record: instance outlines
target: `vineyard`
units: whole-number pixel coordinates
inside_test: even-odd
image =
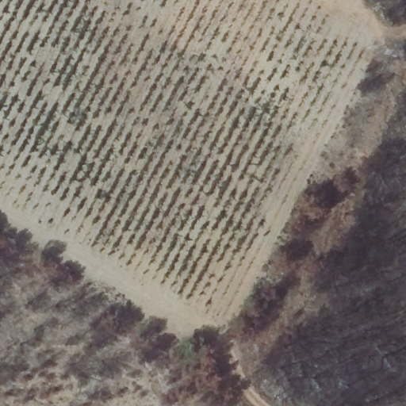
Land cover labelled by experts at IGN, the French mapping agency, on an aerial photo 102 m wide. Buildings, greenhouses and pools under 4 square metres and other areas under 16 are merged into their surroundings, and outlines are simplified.
[[[117,292],[125,293],[125,297],[132,301],[136,308],[140,308],[149,319],[159,317],[167,320],[167,333],[176,338],[189,338],[193,331],[203,327],[216,328],[228,324],[233,317],[239,316],[244,300],[254,290],[255,282],[265,276],[262,266],[270,259],[271,252],[278,249],[278,236],[281,235],[285,222],[290,219],[298,195],[308,187],[309,174],[314,173],[320,165],[320,154],[324,151],[324,144],[330,141],[336,125],[343,122],[346,106],[357,105],[362,97],[358,84],[365,79],[366,68],[377,54],[389,56],[392,51],[387,48],[385,38],[384,27],[387,24],[377,21],[376,16],[370,8],[366,8],[363,0],[0,0],[0,211],[5,214],[11,227],[16,230],[27,230],[32,235],[33,243],[43,249],[49,241],[60,241],[65,244],[65,251],[62,252],[63,262],[79,263],[84,270],[82,274],[89,281],[103,281],[109,287],[116,287]]]

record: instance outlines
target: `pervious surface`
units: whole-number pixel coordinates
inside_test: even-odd
[[[252,406],[263,406],[265,398],[255,392],[254,387],[249,387],[244,390],[244,396]]]
[[[379,10],[376,16],[377,21],[387,24],[384,27],[385,38],[406,38],[406,24],[390,24],[382,10]]]

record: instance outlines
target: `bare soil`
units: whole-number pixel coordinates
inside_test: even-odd
[[[278,371],[271,376],[268,366],[262,362],[263,358],[268,355],[279,335],[293,335],[295,325],[308,324],[309,317],[317,316],[322,306],[327,308],[330,300],[327,295],[330,295],[331,287],[335,285],[336,276],[346,276],[349,285],[362,287],[376,281],[377,268],[392,265],[395,255],[406,254],[406,233],[395,233],[385,239],[382,236],[389,232],[387,220],[390,216],[406,211],[406,38],[385,38],[387,48],[392,51],[389,56],[377,54],[366,68],[365,79],[358,84],[362,97],[357,105],[346,106],[343,122],[336,125],[330,141],[324,144],[324,151],[320,154],[320,165],[314,173],[309,174],[308,187],[298,195],[290,219],[285,222],[281,235],[278,236],[278,249],[271,252],[270,259],[262,266],[265,276],[255,282],[254,290],[244,300],[239,316],[233,317],[228,324],[216,328],[224,341],[232,346],[230,362],[235,366],[233,373],[238,374],[241,379],[247,379],[251,384],[249,387],[254,387],[255,392],[265,398],[263,406],[319,406],[324,395],[320,392],[320,385],[316,379],[304,381],[304,396],[300,398],[293,395],[289,389],[284,371]]]
[[[406,0],[363,0],[366,8],[370,8],[376,16],[379,10],[382,10],[390,24],[406,24]]]

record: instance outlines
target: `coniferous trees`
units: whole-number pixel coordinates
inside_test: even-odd
[[[349,285],[346,276],[336,276],[335,285],[331,287],[330,295],[327,295],[330,300],[327,308],[322,306],[317,316],[309,317],[308,324],[295,325],[293,335],[279,335],[268,355],[263,358],[262,362],[268,366],[271,376],[278,371],[284,371],[289,389],[293,395],[300,398],[304,396],[304,381],[316,379],[320,385],[320,392],[324,395],[319,406],[406,406],[406,254],[395,255],[392,265],[377,268],[376,281],[362,287]]]
[[[79,263],[63,262],[62,252],[65,251],[65,244],[60,241],[49,241],[43,249],[33,243],[32,235],[27,230],[16,230],[11,227],[5,214],[0,211],[0,406],[252,406],[244,396],[244,390],[249,387],[251,384],[247,379],[241,379],[238,374],[233,373],[235,366],[230,362],[232,346],[224,341],[216,328],[203,327],[193,331],[189,338],[176,338],[167,333],[167,320],[159,317],[149,319],[140,308],[136,308],[132,301],[125,297],[125,293],[117,292],[116,287],[109,287],[103,281],[89,281],[82,274],[84,270]]]
[[[406,211],[390,216],[387,220],[389,232],[382,236],[385,239],[395,233],[406,233]]]

